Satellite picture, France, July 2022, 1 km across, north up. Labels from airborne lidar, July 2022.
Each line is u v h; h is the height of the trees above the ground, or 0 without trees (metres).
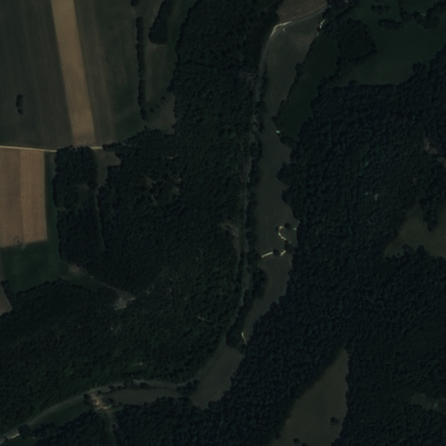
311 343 28
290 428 0
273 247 0
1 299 0
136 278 7
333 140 38
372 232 12
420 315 25
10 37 0
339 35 17
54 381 12
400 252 0
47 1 0
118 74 0
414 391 10
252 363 23
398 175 18
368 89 20
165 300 23
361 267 20
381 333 27
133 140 14
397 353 9
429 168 24
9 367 15
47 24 0
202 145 10
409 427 23
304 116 0
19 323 24
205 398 0
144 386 18
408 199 27
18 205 0
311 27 0
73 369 25
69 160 24
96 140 0
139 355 25
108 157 0
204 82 27
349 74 0
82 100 0
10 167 0
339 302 27
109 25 0
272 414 25
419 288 24
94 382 20
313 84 0
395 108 20
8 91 0
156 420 32
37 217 0
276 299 0
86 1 0
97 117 0
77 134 0
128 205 16
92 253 22
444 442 20
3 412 39
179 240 26
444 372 26
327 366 16
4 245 0
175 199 17
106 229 19
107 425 15
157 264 15
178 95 22
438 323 18
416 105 29
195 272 39
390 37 0
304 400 0
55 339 17
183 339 29
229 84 17
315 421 0
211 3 22
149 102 0
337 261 27
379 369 28
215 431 29
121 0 0
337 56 0
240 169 39
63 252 18
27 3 0
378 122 37
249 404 8
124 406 8
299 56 0
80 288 19
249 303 20
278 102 0
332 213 27
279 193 0
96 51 0
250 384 9
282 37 0
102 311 26
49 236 0
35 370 22
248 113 19
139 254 14
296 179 21
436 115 36
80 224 26
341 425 0
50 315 20
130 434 26
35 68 0
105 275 14
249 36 27
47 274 0
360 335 23
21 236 0
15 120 0
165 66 0
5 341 22
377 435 26
